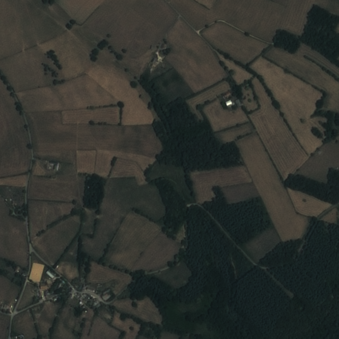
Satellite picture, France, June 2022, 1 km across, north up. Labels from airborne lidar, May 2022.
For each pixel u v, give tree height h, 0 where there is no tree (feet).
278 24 0
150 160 0
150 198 0
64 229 0
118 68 0
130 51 0
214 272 69
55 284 37
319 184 58
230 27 0
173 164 23
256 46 0
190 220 65
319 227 60
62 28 0
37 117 0
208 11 0
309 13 44
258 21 0
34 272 0
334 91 0
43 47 0
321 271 68
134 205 0
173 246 0
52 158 0
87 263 42
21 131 0
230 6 0
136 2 0
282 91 0
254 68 0
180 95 0
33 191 0
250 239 38
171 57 0
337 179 37
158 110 54
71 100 0
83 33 0
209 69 0
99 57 0
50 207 0
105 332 0
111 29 0
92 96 0
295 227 0
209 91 0
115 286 0
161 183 59
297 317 47
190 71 0
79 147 0
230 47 0
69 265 0
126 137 0
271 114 0
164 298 65
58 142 0
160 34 0
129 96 0
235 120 0
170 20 0
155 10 0
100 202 41
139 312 0
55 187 0
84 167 0
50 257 0
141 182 0
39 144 0
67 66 0
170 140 41
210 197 0
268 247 0
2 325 0
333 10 0
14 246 0
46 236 0
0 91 0
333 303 45
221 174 0
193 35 0
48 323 0
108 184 0
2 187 0
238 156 43
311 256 64
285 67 0
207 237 52
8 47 0
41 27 0
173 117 55
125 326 0
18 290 0
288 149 0
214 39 0
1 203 0
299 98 0
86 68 0
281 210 0
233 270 54
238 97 48
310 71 0
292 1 0
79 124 0
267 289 68
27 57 0
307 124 0
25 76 0
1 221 0
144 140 0
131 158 0
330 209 0
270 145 0
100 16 0
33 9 0
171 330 26
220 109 0
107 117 0
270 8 0
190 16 0
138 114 0
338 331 38
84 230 0
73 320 0
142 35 0
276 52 0
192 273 33
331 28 41
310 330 49
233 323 29
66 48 0
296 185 62
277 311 58
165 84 0
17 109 41
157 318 0
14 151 0
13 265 45
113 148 0
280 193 0
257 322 69
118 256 0
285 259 53
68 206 0
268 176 0
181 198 54
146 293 61
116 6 0
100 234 0
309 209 0
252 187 0
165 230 51
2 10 0
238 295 68
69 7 0
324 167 0
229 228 73
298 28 0
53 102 0
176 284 0
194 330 0
